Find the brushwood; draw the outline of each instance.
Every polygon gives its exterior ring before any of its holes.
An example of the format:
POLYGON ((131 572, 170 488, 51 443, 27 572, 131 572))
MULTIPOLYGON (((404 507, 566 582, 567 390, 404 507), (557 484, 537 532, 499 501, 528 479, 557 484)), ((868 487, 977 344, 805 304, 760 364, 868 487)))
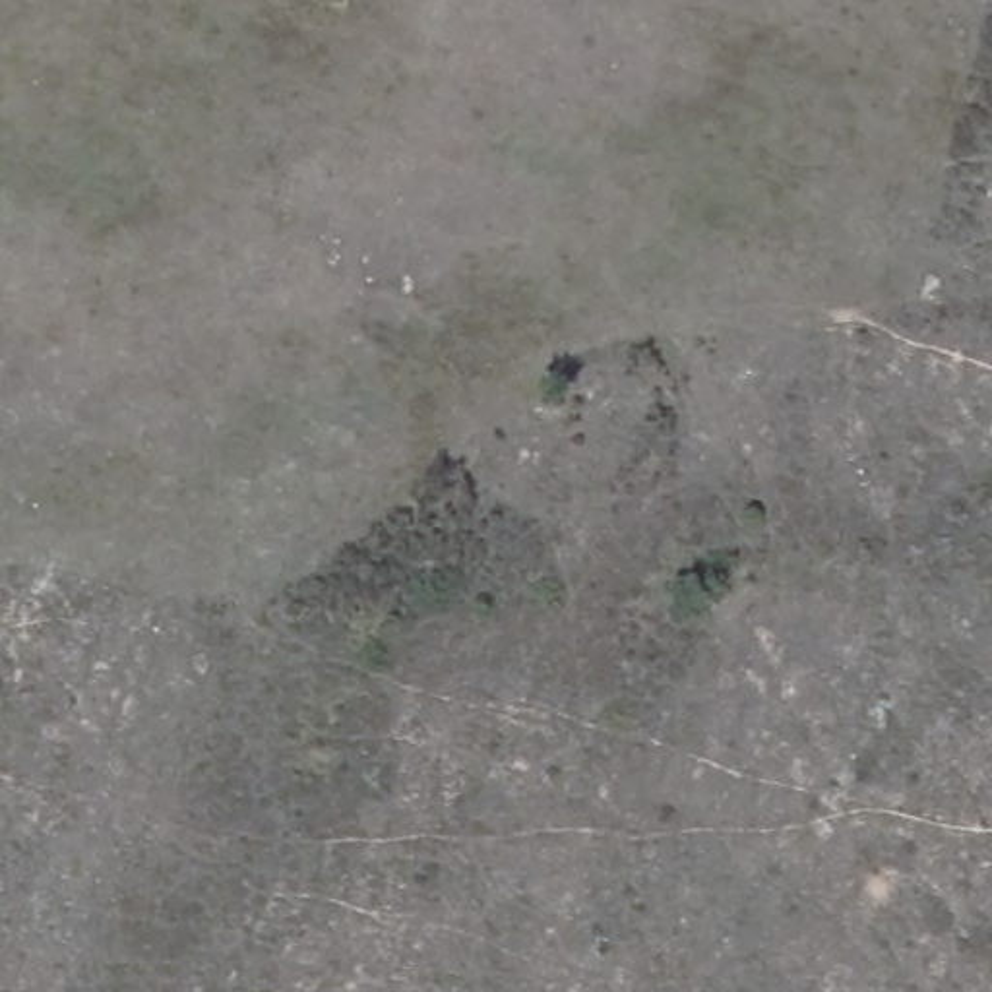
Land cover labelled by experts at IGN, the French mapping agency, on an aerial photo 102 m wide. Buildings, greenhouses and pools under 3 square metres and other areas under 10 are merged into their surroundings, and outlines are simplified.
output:
POLYGON ((554 357, 550 376, 543 380, 546 403, 558 403, 570 380, 577 380, 581 372, 577 357, 554 357))
POLYGON ((709 608, 717 597, 729 593, 729 574, 740 562, 740 546, 725 546, 674 574, 674 608, 709 608))
POLYGON ((550 589, 550 605, 562 605, 566 585, 558 577, 554 546, 562 543, 562 527, 539 527, 539 519, 512 512, 508 504, 481 504, 481 488, 469 461, 442 453, 411 484, 419 504, 391 508, 388 515, 372 519, 372 527, 357 543, 345 543, 329 566, 314 574, 318 585, 341 589, 345 597, 376 601, 395 624, 415 624, 419 605, 434 605, 434 612, 469 612, 473 620, 481 620, 488 612, 484 593, 496 593, 504 581, 550 589))

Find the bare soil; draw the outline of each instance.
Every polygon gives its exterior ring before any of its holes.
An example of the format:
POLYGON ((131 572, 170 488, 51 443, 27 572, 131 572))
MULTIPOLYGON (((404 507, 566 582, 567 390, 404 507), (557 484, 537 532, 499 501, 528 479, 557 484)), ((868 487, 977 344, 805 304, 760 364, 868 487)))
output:
POLYGON ((992 0, 0 0, 0 992, 992 992, 992 0), (550 376, 554 357, 577 357, 581 372, 577 380, 570 380, 558 403, 546 403, 543 380, 550 376), (376 601, 345 597, 341 589, 318 585, 314 574, 329 566, 345 543, 357 543, 372 527, 372 519, 388 515, 391 508, 419 504, 411 484, 442 453, 469 461, 481 488, 481 504, 508 504, 512 512, 539 519, 539 527, 562 527, 562 543, 554 546, 558 577, 566 585, 562 605, 550 605, 550 589, 504 581, 496 593, 484 593, 488 612, 481 620, 473 620, 469 612, 434 612, 434 605, 419 605, 415 624, 395 624, 376 601), (740 562, 729 574, 729 593, 717 597, 709 608, 674 608, 674 574, 725 546, 740 546, 740 562))

